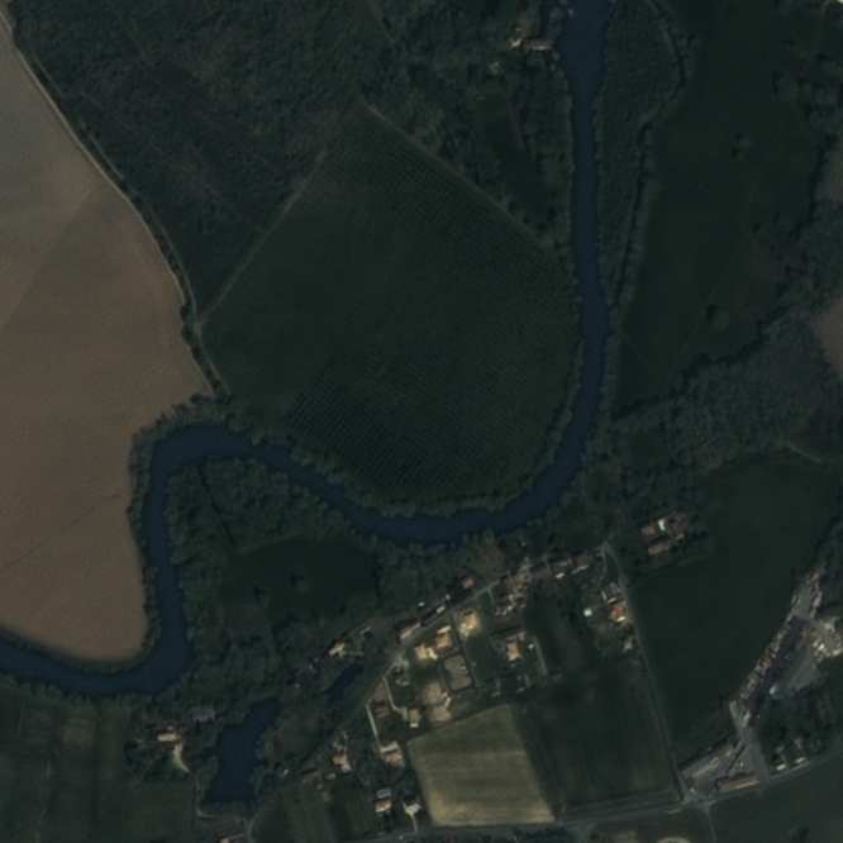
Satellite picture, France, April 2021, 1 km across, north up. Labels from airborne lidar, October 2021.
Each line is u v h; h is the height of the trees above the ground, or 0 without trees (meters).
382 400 16
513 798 0
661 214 0
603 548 0
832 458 0
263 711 0
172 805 0
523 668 0
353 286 0
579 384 11
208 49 17
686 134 0
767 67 0
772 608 0
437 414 13
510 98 0
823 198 24
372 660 8
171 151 11
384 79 26
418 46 19
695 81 0
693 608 0
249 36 18
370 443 19
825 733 9
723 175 0
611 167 12
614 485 0
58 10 16
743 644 0
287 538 22
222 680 19
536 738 0
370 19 11
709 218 0
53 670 0
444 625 0
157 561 0
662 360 0
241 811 17
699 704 0
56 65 9
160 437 11
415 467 18
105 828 0
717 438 29
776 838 0
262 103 16
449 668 0
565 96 16
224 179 11
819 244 23
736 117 0
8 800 0
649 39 12
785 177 0
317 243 0
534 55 17
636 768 0
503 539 7
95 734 0
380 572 11
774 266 0
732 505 0
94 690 0
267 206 7
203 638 17
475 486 18
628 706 0
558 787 0
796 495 0
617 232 11
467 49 23
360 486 19
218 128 8
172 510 16
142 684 0
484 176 35
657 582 0
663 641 0
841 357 0
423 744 0
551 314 12
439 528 0
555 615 0
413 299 12
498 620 0
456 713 0
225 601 0
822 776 0
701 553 17
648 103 6
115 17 6
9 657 0
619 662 0
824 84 0
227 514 27
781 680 16
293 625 17
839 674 0
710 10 0
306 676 13
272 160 6
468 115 36
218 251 12
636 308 0
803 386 22
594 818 0
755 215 0
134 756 15
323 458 15
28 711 0
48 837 0
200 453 0
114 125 7
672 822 0
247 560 0
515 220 9
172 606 0
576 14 0
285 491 26
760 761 0
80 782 0
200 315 8
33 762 0
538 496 0
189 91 11
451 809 0
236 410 13
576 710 0
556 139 35
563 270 8
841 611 13
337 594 0
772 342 32
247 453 0
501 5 24
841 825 0
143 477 13
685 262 0
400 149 11
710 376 33
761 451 18
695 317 0
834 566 17
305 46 15
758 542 0
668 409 16
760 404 22
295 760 13
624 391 0
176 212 9
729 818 0
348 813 0
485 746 0
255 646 12
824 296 18
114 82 12
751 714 0
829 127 22
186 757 11
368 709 0
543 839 12
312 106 15
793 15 0
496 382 17
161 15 6
